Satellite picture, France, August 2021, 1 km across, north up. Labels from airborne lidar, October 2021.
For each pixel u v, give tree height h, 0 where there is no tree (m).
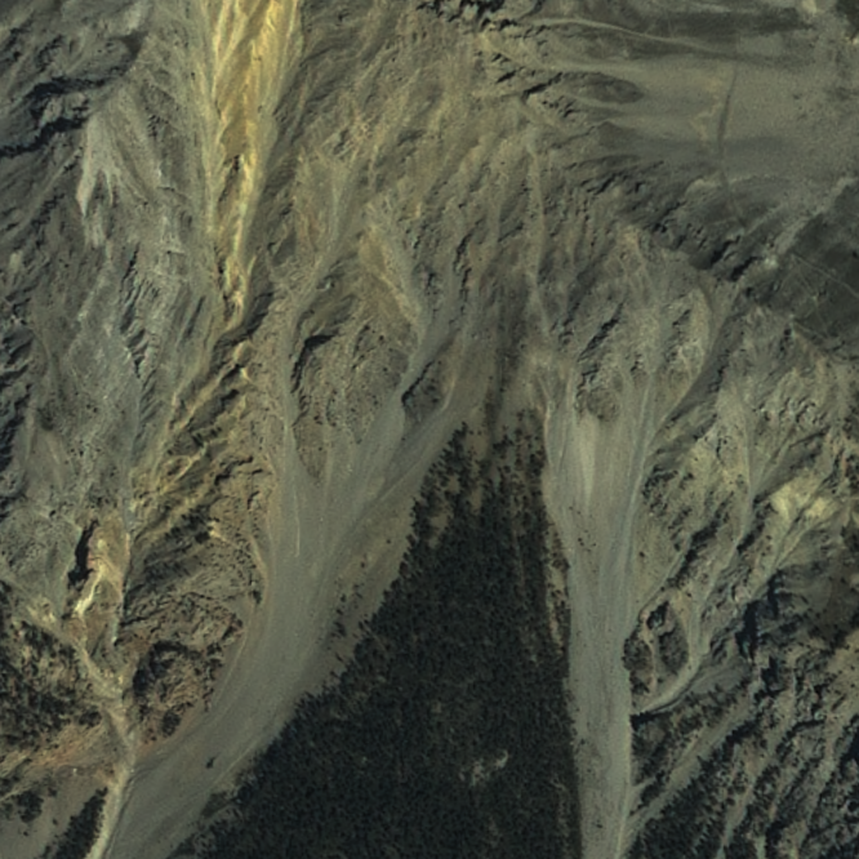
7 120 0
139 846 0
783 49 0
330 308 0
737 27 0
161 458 0
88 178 0
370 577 0
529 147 0
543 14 0
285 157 0
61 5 0
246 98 0
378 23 0
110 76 0
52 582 0
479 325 0
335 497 0
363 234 0
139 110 0
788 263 0
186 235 0
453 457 9
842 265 0
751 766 0
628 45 0
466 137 0
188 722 0
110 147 0
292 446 0
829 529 0
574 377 0
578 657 0
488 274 0
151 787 0
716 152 0
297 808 9
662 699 0
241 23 0
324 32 0
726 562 0
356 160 0
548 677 8
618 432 0
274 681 0
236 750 0
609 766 0
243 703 0
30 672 6
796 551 0
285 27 0
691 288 0
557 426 0
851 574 0
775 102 0
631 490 0
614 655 0
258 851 6
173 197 0
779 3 0
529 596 9
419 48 0
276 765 13
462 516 9
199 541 6
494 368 0
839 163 0
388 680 12
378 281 0
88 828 8
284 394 0
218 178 0
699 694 0
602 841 0
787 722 0
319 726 11
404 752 13
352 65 0
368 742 14
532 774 10
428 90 0
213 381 0
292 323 0
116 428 0
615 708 0
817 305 0
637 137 0
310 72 0
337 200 0
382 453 0
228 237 0
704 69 0
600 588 0
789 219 0
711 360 0
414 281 0
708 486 0
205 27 0
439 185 0
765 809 7
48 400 0
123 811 0
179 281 0
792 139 0
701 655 0
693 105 0
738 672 0
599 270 0
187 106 0
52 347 0
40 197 0
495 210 0
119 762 0
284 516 0
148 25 0
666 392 0
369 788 14
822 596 0
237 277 0
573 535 0
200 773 0
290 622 0
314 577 0
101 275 0
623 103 0
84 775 0
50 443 0
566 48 0
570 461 0
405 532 0
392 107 0
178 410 0
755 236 0
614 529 0
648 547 0
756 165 0
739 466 0
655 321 0
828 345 0
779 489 0
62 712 7
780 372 0
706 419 0
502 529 13
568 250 0
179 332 0
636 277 0
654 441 0
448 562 12
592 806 0
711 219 0
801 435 0
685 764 0
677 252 0
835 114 0
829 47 0
